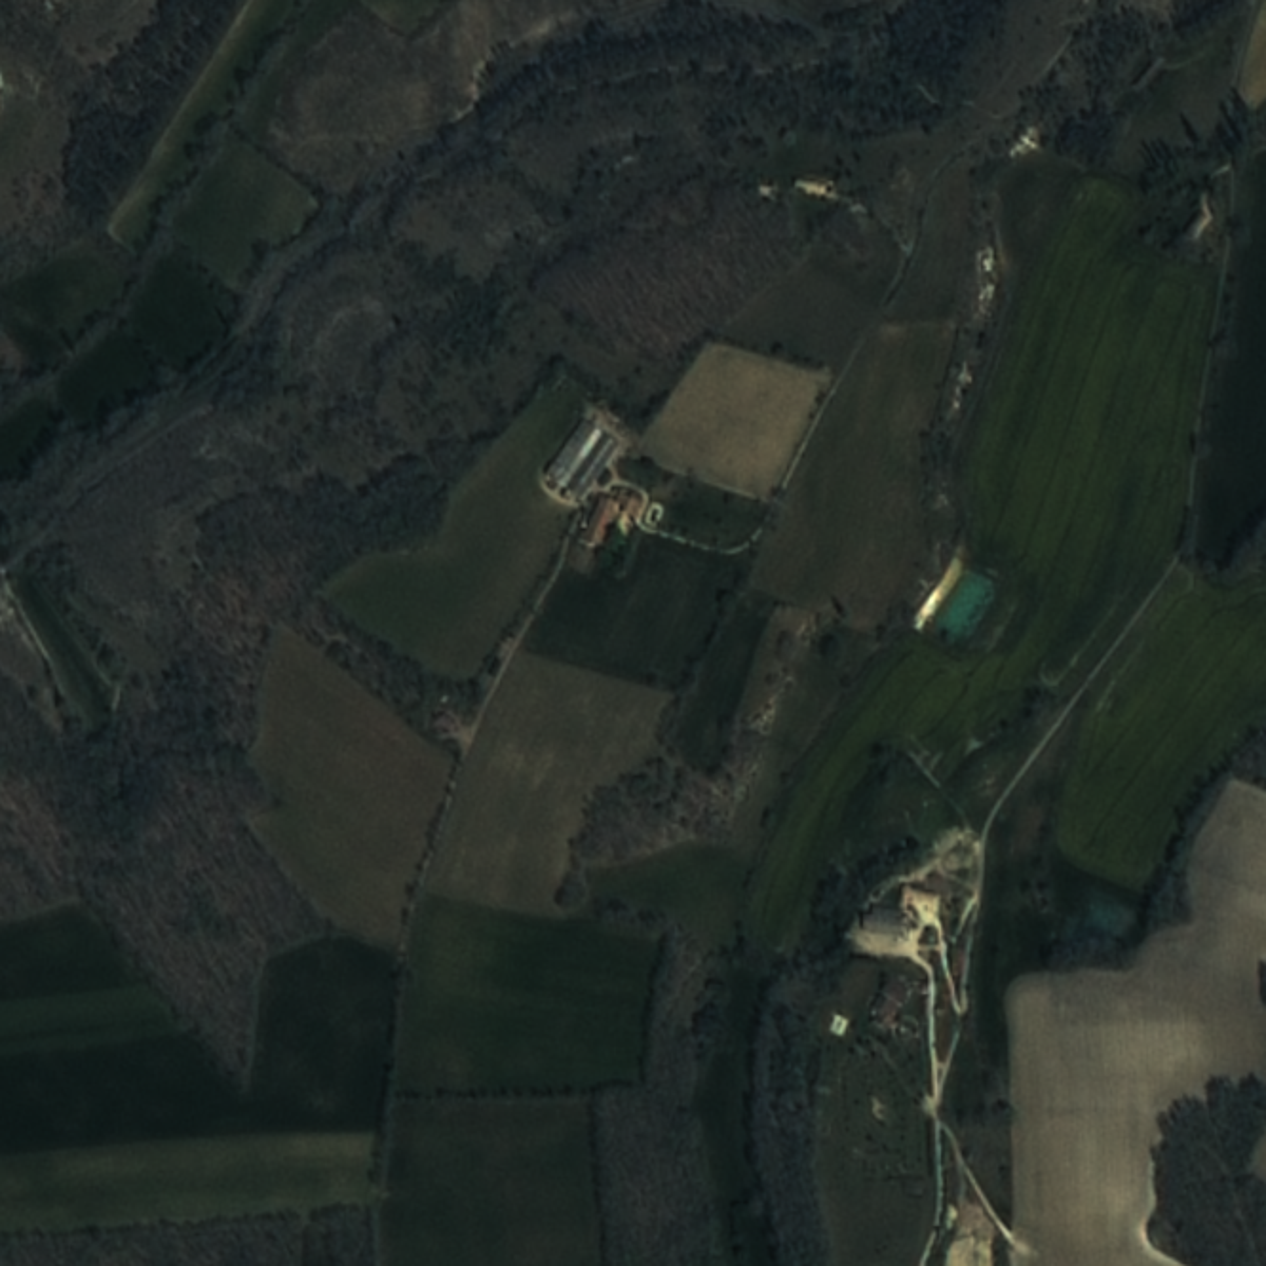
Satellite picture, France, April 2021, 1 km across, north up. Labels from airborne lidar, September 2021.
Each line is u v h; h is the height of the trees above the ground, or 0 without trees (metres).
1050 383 0
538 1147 0
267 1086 0
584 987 0
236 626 11
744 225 16
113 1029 0
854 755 0
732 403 0
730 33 14
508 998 0
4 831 16
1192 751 0
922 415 0
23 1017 0
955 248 0
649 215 8
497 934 0
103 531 0
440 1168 0
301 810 0
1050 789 0
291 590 12
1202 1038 0
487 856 0
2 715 11
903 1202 0
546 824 0
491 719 0
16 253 15
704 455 0
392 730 0
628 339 13
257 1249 15
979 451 0
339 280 0
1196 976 0
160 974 18
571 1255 0
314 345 0
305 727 0
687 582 0
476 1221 0
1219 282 0
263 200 0
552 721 0
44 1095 0
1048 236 0
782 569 0
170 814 15
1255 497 0
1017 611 0
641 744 0
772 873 0
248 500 8
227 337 6
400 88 0
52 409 7
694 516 0
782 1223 19
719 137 8
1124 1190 0
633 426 11
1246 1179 7
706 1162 0
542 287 14
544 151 0
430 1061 0
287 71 0
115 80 18
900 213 0
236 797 14
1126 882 0
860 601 0
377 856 0
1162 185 9
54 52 11
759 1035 18
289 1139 0
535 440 0
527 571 0
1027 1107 0
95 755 21
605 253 11
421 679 15
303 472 14
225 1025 16
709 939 0
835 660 17
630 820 14
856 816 0
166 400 18
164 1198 0
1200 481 0
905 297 0
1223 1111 15
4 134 0
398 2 0
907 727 0
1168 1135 13
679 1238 14
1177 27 8
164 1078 0
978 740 0
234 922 16
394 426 7
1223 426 0
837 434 0
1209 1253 16
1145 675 0
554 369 10
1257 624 0
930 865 0
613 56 16
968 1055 0
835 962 11
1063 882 0
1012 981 0
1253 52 0
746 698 0
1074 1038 0
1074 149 18
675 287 16
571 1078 0
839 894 12
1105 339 0
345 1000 0
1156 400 0
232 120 7
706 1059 14
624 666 0
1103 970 12
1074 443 0
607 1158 17
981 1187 0
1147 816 0
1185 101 0
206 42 23
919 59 14
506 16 0
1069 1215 0
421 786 0
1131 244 0
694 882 0
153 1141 0
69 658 0
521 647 0
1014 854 0
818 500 0
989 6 15
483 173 17
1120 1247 0
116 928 14
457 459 16
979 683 0
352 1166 0
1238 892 0
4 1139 0
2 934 0
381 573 0
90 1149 0
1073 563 0
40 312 0
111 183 20
